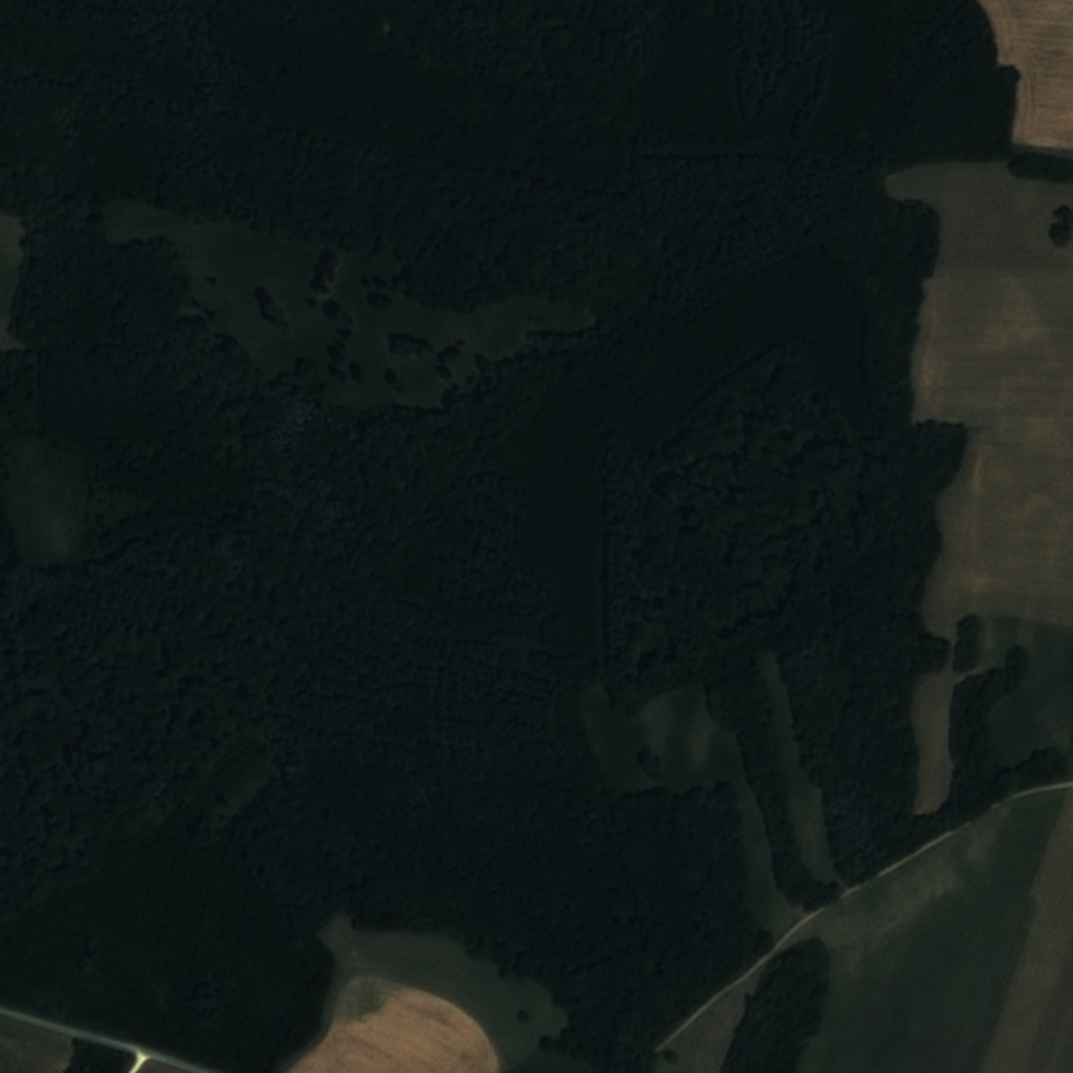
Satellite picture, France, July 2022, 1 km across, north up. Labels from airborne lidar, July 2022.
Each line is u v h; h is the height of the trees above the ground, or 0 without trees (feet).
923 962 0
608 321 75
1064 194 0
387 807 50
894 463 56
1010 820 0
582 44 79
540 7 70
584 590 49
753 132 59
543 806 48
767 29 54
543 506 47
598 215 74
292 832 88
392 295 47
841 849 49
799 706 43
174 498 28
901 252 79
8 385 35
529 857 48
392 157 76
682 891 54
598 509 44
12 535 46
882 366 61
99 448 22
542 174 47
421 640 87
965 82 51
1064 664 0
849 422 39
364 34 47
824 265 48
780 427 73
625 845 63
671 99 46
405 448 81
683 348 45
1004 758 0
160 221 0
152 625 57
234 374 71
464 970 0
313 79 47
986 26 39
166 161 88
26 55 68
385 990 0
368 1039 0
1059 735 0
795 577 71
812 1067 0
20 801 69
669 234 66
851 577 57
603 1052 30
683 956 58
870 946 0
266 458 72
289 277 0
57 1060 0
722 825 52
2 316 0
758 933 21
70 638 61
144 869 18
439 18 62
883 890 0
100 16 69
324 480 81
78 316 41
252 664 75
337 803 48
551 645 80
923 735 0
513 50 76
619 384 60
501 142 88
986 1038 0
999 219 0
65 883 91
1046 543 0
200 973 18
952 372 0
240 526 81
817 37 79
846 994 0
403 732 57
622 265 87
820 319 50
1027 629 0
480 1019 0
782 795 36
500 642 75
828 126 57
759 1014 64
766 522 65
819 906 45
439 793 47
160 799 77
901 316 61
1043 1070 0
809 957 20
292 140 74
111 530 23
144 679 76
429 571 61
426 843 51
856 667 42
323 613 72
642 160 81
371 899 69
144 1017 22
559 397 46
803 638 36
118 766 87
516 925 50
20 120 49
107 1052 18
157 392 52
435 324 0
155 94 58
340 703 87
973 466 0
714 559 73
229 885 18
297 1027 23
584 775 61
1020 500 0
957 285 0
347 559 75
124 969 27
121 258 70
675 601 63
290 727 78
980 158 43
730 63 41
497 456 52
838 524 63
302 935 47
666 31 42
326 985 34
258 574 55
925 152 37
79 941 23
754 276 49
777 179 88
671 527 98
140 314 75
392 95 45
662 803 55
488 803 50
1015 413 0
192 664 88
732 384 75
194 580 71
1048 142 0
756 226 72
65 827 71
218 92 90
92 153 56
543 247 79
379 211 81
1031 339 0
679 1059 37
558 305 66
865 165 44
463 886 48
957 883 0
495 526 43
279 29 51
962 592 0
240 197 85
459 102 42
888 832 56
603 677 58
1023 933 0
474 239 78
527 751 71
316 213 68
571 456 41
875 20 52
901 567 56
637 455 41
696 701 0
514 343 0
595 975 80
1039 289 0
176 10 90
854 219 60
